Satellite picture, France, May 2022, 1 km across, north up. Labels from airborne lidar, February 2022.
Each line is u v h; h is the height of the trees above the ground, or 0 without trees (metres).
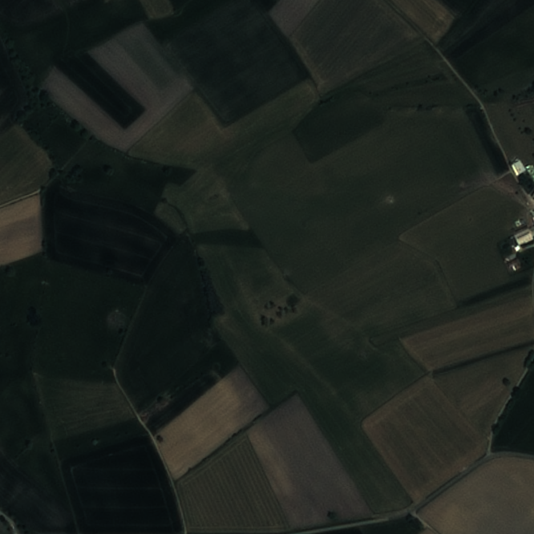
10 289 0
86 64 0
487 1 0
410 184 0
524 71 0
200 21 0
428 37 0
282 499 0
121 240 0
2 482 0
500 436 0
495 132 0
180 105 0
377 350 0
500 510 0
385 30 0
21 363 0
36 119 0
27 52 0
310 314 0
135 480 0
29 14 0
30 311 0
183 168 0
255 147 0
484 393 0
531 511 0
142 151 0
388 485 0
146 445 0
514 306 0
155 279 0
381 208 0
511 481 0
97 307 0
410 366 0
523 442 0
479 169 0
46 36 0
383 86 0
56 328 0
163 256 0
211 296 16
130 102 0
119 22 0
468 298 0
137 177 0
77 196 0
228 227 0
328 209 0
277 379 0
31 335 0
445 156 0
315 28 0
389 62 0
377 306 0
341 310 0
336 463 0
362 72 0
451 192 0
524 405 0
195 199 0
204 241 0
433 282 0
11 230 0
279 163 0
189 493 0
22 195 0
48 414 0
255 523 0
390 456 0
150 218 0
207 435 0
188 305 0
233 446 0
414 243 0
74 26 0
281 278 0
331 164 0
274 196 0
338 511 0
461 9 0
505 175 0
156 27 0
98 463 0
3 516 0
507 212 0
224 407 0
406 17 0
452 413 0
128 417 0
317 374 0
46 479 0
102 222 0
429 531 0
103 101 0
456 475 0
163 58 0
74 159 0
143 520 0
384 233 0
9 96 0
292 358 0
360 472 0
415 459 0
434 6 0
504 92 7
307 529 0
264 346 0
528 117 0
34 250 0
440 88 0
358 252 0
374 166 0
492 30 0
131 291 0
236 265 0
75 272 0
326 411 0
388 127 0
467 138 0
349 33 0
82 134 11
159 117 0
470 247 0
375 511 0
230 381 0
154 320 0
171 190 0
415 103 0
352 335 0
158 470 0
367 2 0
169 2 0
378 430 0
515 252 0
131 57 0
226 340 0
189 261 0
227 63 0
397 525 0
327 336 0
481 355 0
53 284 0
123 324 0
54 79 0
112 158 0
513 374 0
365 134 0
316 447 0
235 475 0
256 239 0
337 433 0
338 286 0
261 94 0
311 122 0
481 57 0
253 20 0
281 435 0
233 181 0
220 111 0
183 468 0
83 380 0
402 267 0
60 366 0
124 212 0
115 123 0
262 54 0
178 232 0
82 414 0
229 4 0
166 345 0
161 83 0
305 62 0
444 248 0
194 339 0
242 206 0
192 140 0
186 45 0
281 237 0
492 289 0
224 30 0
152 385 0
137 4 0
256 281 0
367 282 0
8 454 0
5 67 0
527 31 0
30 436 0
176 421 0
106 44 0
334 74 0
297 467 0
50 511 0
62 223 0
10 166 0
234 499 0
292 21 0
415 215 0
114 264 0
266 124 0
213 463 0
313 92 0
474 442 0
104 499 0
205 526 0
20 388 0
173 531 0
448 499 0
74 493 0
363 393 0
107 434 0
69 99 0
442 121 0
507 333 0
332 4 0
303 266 0
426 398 0
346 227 0
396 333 0
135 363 0
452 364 0
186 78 0
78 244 0
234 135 0
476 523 0
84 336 0
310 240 0
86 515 0
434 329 0
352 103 0
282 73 0
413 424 0
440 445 0
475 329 0
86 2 0
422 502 0
